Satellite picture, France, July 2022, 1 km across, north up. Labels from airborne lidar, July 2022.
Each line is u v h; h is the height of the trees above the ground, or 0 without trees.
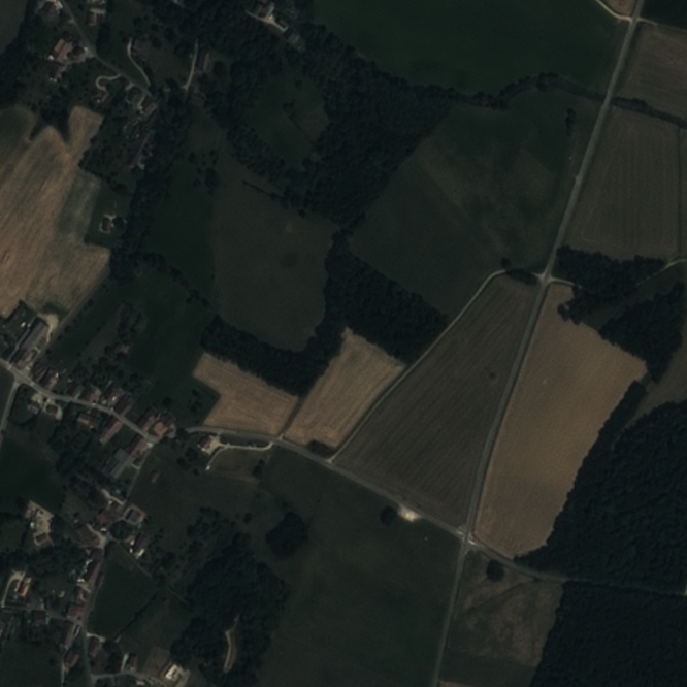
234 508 0
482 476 0
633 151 0
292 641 0
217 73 11
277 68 14
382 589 0
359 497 0
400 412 0
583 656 20
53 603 8
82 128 0
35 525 0
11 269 0
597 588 19
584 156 0
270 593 23
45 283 0
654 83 0
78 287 0
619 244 0
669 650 23
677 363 0
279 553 15
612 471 16
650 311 25
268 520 0
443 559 0
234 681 16
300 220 0
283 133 0
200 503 0
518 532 0
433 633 0
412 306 19
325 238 0
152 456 0
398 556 0
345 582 0
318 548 0
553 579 0
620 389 0
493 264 0
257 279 0
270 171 6
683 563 17
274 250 0
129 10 0
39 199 0
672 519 16
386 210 0
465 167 0
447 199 0
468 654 0
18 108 0
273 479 0
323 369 16
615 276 21
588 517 19
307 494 0
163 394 0
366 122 16
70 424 7
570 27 0
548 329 0
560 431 0
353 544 0
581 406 0
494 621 0
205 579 22
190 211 0
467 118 0
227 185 0
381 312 23
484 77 0
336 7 0
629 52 0
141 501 0
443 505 0
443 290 0
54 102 8
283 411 0
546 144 0
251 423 0
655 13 0
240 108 22
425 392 0
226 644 11
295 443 0
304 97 0
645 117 0
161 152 18
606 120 0
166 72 0
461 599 0
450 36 0
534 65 0
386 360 0
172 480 0
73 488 9
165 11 24
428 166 0
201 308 0
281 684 0
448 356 0
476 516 0
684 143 0
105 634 0
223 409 0
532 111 0
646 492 16
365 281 19
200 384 0
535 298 0
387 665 0
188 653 18
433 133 16
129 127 0
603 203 0
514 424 0
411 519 0
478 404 0
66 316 0
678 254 0
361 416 0
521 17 0
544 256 0
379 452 0
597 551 21
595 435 0
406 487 0
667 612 24
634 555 17
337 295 28
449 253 0
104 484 15
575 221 0
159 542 8
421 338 17
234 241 0
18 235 0
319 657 0
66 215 0
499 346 0
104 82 0
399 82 12
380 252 0
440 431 0
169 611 0
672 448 19
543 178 0
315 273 0
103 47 13
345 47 17
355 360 0
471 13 0
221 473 0
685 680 20
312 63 31
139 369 0
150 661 0
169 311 0
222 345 8
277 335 0
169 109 20
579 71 0
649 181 0
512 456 0
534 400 0
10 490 0
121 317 0
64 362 0
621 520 17
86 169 9
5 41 0
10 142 0
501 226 0
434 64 0
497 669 0
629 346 18
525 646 0
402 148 10
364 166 21
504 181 0
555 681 22
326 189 15
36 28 8
